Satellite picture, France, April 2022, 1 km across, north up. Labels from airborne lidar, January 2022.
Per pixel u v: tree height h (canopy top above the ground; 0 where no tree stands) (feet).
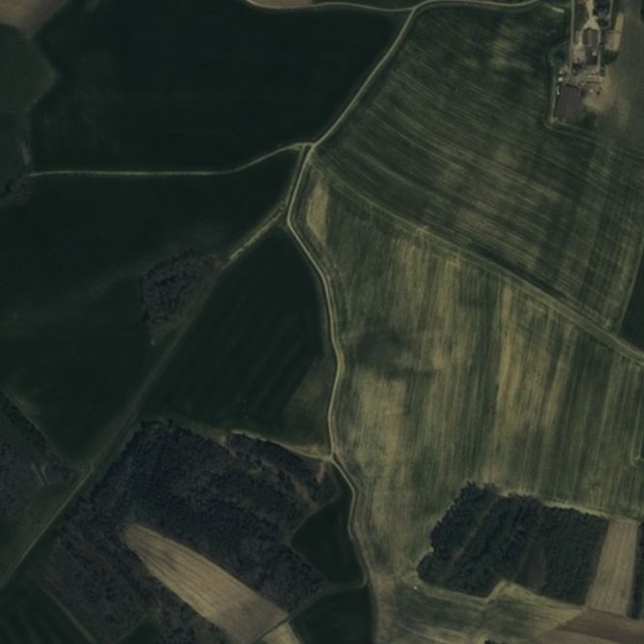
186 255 0
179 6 0
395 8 0
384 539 0
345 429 0
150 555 0
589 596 0
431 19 0
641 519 0
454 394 0
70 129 0
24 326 0
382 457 0
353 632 0
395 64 0
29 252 0
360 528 0
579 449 0
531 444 0
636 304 0
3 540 0
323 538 0
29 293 0
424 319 0
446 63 0
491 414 0
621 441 0
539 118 0
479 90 0
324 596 0
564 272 0
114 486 83
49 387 0
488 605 0
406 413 0
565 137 0
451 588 30
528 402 0
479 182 0
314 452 0
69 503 0
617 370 0
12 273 0
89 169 0
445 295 0
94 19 0
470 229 0
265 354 0
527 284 0
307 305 0
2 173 0
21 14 0
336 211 0
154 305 79
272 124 0
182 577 0
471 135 0
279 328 0
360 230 0
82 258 0
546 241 0
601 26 0
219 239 0
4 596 0
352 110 0
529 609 0
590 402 0
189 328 0
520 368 0
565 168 0
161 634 0
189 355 0
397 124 0
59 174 0
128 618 83
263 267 0
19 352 0
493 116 0
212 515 86
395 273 0
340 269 0
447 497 0
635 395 0
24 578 0
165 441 66
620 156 0
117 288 0
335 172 0
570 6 0
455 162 0
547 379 0
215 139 0
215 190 0
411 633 0
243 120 0
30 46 0
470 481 0
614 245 0
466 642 0
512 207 0
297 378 0
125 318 0
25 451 0
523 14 0
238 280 0
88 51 0
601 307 0
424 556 0
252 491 98
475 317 0
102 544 96
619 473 0
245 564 89
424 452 0
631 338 0
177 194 0
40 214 0
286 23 0
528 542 91
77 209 0
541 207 0
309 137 0
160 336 0
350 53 0
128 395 0
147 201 0
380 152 0
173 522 103
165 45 0
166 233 0
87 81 0
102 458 0
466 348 0
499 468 0
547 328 0
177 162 0
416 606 0
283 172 0
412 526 0
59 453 0
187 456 77
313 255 0
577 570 25
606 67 0
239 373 0
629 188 0
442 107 0
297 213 0
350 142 0
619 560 0
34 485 0
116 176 0
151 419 0
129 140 0
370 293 0
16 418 65
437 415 0
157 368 0
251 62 0
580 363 0
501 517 31
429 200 0
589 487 0
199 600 0
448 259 0
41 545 0
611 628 0
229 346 0
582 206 0
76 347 0
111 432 0
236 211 0
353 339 0
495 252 0
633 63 0
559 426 0
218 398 0
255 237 0
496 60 0
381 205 0
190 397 0
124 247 0
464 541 84
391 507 0
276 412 0
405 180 0
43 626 0
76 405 0
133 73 0
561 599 28
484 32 0
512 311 0
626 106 0
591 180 0
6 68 0
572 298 0
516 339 0
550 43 0
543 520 87
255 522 83
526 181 0
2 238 0
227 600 0
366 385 0
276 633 0
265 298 0
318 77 0
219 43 0
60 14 0
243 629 0
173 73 0
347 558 0
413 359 0
